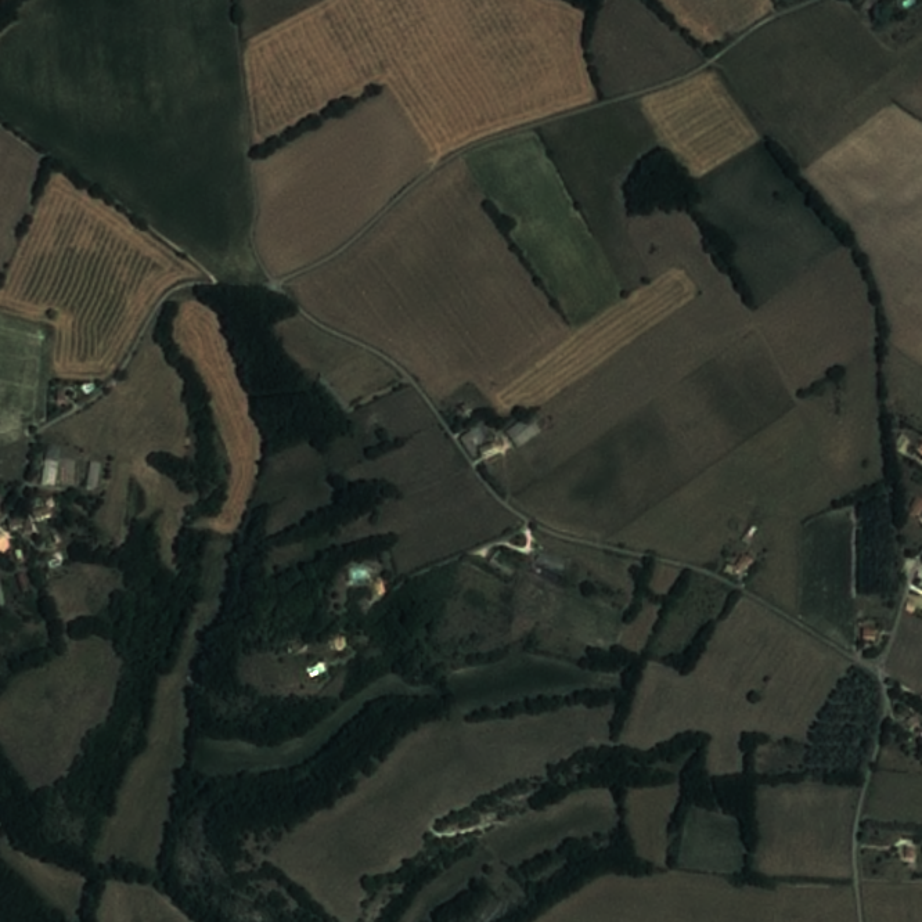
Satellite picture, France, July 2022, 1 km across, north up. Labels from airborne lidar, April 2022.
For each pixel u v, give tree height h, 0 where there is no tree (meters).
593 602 0
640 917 0
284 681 0
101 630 18
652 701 0
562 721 0
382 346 0
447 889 0
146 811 0
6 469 0
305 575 13
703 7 0
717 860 0
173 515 0
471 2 0
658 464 0
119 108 0
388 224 0
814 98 0
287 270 0
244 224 0
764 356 0
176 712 0
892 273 0
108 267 0
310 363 0
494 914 0
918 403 0
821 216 15
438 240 0
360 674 14
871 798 0
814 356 0
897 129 0
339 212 0
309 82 0
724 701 0
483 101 0
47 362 0
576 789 11
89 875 19
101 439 0
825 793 0
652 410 0
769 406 0
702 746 12
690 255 0
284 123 0
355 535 0
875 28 5
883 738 10
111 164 0
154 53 0
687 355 0
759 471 0
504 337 0
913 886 0
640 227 0
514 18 0
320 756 11
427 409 0
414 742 0
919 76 0
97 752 14
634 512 0
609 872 11
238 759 0
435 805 0
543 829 0
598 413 0
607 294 0
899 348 0
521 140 0
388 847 0
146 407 0
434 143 0
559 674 0
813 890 0
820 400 0
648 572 9
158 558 7
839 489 0
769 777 10
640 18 0
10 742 0
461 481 0
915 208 0
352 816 0
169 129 0
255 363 20
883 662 0
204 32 0
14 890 21
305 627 7
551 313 0
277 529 0
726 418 0
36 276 0
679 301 0
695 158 0
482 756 0
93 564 12
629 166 0
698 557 0
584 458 0
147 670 13
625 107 0
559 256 0
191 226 0
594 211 0
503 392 0
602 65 0
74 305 0
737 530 0
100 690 0
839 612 0
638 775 15
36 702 0
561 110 0
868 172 0
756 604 0
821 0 0
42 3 0
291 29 0
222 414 0
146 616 19
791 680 0
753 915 0
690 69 0
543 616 0
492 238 0
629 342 0
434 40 0
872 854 0
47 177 11
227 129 0
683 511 0
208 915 11
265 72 0
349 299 0
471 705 0
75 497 11
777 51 0
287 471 0
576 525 0
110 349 0
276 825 7
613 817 0
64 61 0
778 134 0
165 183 0
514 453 0
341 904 0
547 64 0
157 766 0
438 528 0
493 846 0
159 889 11
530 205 0
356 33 0
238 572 13
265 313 11
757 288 0
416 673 6
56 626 15
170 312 14
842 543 0
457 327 0
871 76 0
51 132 0
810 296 0
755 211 0
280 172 0
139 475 0
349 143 0
